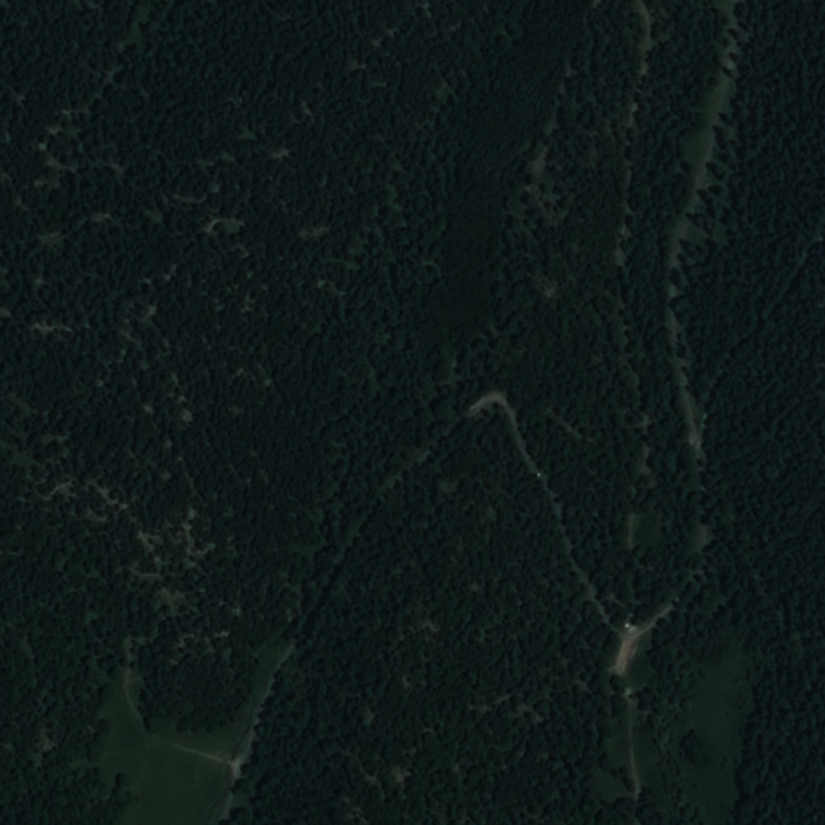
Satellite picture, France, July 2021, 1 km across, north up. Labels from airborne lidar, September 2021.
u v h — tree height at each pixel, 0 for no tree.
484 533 17
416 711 15
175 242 26
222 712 16
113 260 24
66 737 19
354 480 20
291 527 24
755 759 22
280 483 23
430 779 21
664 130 30
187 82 26
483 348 21
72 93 21
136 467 25
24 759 18
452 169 16
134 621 28
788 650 32
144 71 32
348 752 24
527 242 16
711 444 19
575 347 8
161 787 0
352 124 28
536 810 24
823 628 26
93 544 25
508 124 18
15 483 18
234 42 22
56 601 24
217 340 21
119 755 0
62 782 27
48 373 23
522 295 23
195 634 22
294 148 27
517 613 9
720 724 0
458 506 25
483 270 15
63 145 28
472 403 24
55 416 15
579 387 13
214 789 0
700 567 26
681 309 26
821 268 24
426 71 24
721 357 22
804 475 23
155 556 15
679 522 17
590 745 23
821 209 22
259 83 25
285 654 0
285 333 14
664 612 0
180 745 0
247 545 18
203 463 25
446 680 22
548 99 16
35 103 22
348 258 33
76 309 27
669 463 15
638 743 0
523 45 20
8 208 18
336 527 27
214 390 17
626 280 28
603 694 27
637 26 24
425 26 21
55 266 23
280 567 30
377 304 27
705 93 26
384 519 13
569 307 12
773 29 30
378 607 15
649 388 13
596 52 13
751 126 12
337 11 23
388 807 13
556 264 15
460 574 15
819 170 7
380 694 23
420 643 19
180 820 0
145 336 24
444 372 28
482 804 11
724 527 29
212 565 23
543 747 25
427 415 26
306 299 28
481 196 18
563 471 26
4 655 19
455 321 18
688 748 17
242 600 10
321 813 9
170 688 22
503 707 15
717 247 28
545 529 22
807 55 18
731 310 25
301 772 23
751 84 20
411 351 24
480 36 20
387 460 20
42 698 27
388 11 26
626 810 26
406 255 21
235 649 27
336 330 17
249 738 0
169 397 16
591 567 18
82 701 23
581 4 18
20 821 18
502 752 14
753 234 23
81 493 15
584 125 29
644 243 28
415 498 19
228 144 27
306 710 18
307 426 31
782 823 32
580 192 24
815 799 18
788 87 10
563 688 26
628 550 12
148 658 21
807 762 15
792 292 11
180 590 13
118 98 36
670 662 21
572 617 27
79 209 27
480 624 21
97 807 18
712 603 24
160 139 28
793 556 18
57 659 19
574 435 16
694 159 0
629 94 24
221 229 17
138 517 9
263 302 28
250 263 19
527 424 27
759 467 26
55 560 18
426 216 33
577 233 21
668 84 25
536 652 19
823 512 19
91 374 23
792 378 21
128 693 0
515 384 19
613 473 24
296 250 22
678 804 7
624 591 25
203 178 20
